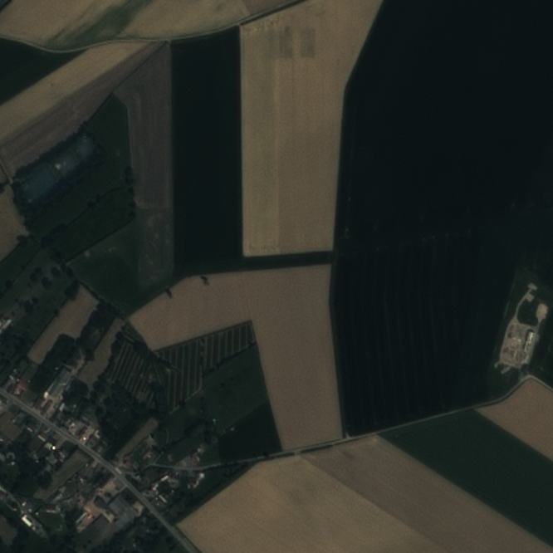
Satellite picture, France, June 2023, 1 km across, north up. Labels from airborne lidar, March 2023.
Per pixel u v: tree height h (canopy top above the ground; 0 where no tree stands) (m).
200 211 0
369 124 0
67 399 13
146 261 0
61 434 0
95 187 0
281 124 0
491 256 0
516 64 0
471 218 0
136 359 0
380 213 0
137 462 0
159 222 0
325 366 0
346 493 0
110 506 0
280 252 0
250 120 0
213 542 0
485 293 0
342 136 0
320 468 0
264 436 0
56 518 0
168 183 0
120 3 0
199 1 0
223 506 0
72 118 0
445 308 0
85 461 0
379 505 0
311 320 0
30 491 0
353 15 0
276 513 0
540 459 0
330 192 0
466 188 0
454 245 0
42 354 0
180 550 0
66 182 17
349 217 0
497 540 0
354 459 0
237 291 0
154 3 0
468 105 0
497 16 0
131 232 0
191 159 0
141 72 0
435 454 0
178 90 0
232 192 0
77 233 0
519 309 0
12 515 0
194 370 0
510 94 0
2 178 0
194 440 0
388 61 0
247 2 0
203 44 0
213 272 0
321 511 0
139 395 0
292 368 0
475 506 0
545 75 0
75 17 0
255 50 0
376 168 0
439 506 0
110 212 0
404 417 0
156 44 0
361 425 0
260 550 0
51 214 0
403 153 0
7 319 0
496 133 0
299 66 0
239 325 0
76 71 0
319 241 0
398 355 0
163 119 0
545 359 0
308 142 0
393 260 0
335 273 0
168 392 0
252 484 0
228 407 0
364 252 0
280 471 0
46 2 0
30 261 0
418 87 0
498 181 0
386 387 0
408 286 0
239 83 0
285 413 0
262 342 0
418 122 0
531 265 0
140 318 0
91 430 0
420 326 0
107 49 0
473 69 0
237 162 0
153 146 0
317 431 0
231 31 0
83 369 0
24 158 0
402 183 0
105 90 0
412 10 0
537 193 0
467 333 0
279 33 0
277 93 0
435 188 0
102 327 0
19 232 0
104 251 0
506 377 0
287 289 0
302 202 0
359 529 0
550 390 0
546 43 0
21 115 0
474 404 0
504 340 0
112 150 0
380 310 0
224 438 0
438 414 0
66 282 0
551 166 0
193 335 0
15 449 16
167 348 0
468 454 0
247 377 0
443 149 0
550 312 0
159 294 0
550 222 0
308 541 0
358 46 0
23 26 0
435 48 0
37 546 0
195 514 0
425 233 0
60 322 0
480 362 0
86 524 0
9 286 12
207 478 0
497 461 0
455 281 0
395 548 0
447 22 0
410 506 0
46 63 0
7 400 0
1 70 0
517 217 0
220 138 0
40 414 0
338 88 0
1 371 0
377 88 0
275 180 0
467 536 0
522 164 0
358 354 0
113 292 0
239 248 0
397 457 0
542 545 0
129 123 0
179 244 0
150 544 17
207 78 0
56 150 13
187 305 0
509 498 0
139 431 0
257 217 0
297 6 0
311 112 0
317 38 0
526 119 0
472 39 0
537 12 0
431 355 0
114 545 11
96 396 11
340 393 0
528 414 0
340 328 0
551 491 0
